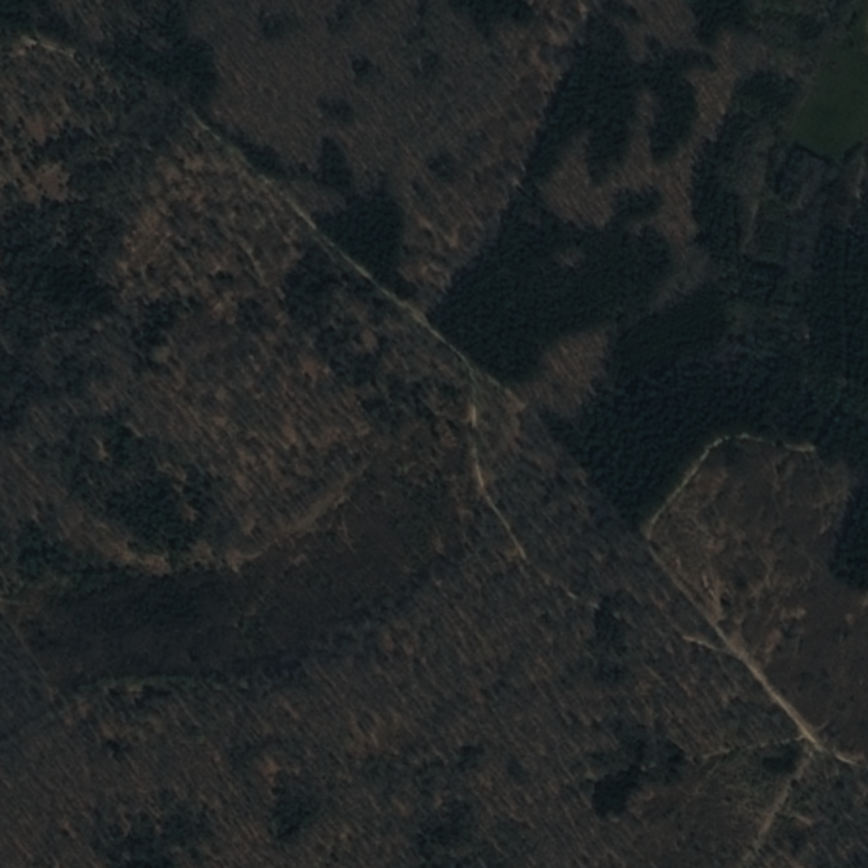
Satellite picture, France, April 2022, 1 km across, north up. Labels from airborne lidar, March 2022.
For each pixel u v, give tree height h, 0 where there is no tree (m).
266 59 23
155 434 25
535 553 31
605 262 34
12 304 9
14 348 24
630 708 25
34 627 9
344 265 27
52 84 26
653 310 26
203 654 12
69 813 24
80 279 15
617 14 27
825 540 8
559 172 22
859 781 29
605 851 29
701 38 27
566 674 26
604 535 26
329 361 30
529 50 8
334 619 9
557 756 28
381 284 21
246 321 8
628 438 28
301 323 25
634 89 24
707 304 23
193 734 26
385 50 21
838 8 21
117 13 24
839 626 9
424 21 26
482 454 23
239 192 29
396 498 9
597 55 22
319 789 29
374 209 26
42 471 23
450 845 25
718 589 0
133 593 7
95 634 10
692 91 28
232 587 10
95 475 26
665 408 31
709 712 29
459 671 27
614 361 28
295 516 31
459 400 27
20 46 24
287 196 23
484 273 28
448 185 18
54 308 25
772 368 16
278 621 10
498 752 28
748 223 27
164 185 27
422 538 8
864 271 25
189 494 12
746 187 31
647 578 29
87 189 28
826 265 28
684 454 29
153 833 8
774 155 10
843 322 25
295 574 8
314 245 28
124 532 23
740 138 26
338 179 29
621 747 27
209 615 8
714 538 0
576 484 28
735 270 24
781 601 6
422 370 29
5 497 23
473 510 6
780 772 8
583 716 26
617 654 27
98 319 33
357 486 7
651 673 27
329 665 30
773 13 6
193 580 8
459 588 32
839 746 27
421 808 27
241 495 23
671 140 32
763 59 20
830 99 0
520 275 31
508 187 26
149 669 11
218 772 25
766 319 16
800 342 32
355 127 23
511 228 25
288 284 10
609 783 13
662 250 32
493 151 24
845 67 0
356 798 31
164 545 18
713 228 28
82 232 6
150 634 10
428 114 25
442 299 25
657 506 38
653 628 29
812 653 9
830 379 14
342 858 21
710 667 28
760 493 9
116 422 21
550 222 27
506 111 15
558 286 26
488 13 28
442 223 19
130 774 24
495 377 25
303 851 25
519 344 28
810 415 31
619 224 26
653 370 16
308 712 31
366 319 23
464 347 30
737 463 11
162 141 27
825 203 32
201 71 30
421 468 6
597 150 26
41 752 32
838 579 23
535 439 30
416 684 30
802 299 32
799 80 15
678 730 31
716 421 32
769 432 28
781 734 26
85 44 24
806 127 0
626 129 29
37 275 21
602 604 29
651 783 20
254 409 27
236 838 20
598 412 26
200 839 22
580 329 32
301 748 30
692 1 34
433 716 31
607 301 28
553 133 23
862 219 15
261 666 12
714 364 24
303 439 26
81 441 30
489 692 30
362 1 24
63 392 24
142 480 20
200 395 28
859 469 26
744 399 33
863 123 0
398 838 28
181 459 27
